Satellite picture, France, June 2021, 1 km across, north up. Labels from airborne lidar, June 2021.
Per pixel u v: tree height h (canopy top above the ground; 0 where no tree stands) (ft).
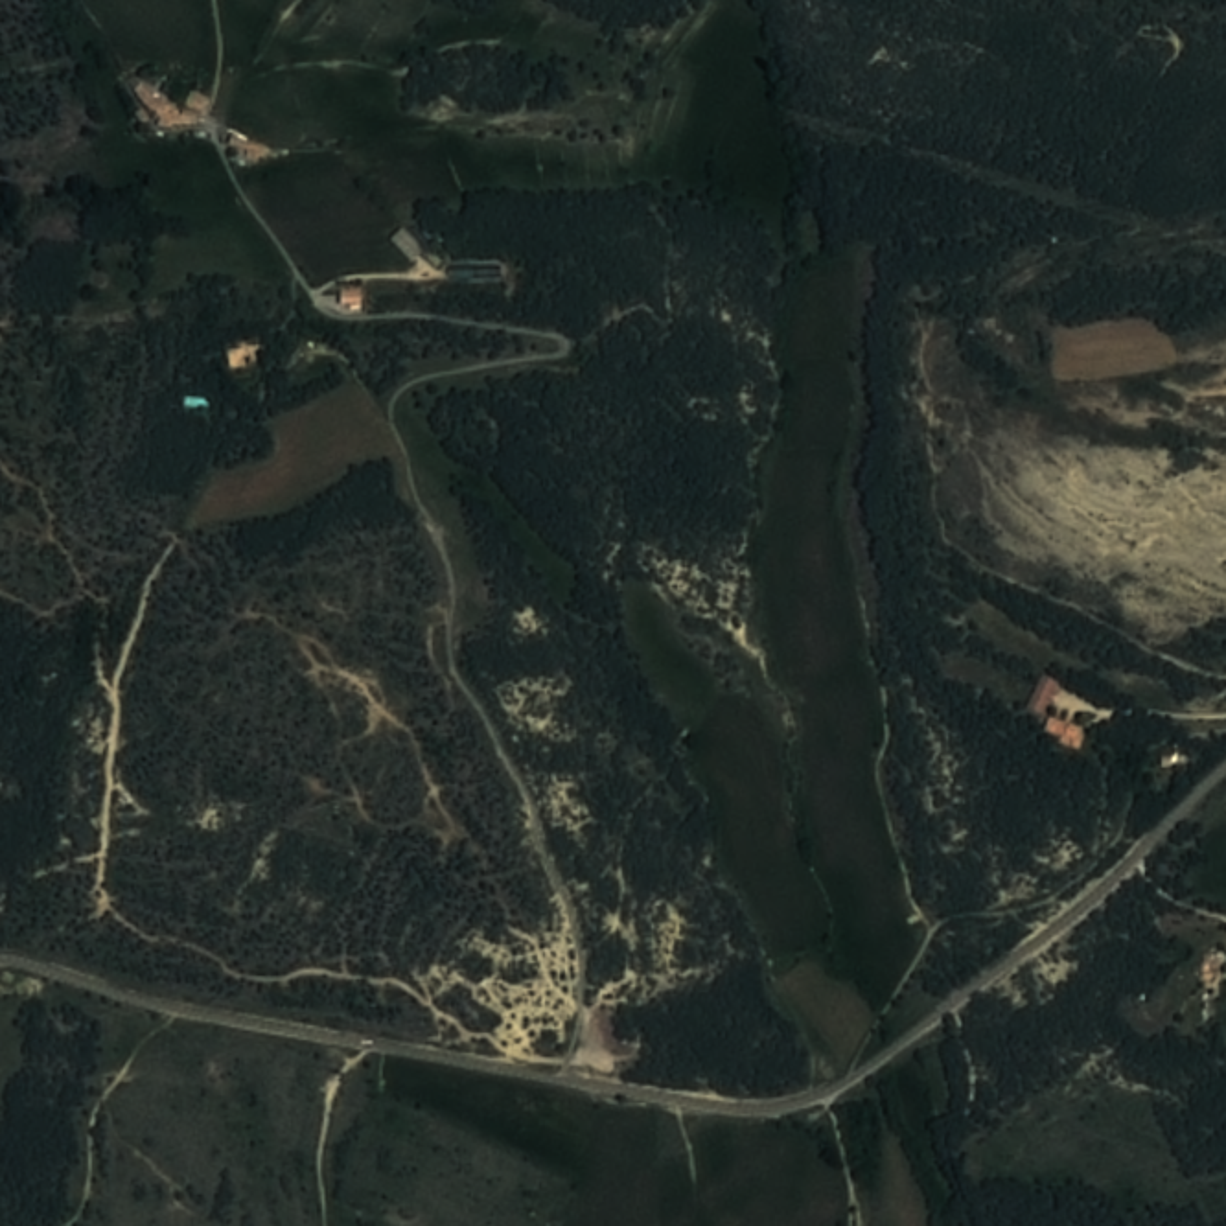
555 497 31
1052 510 0
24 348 19
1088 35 22
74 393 28
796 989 0
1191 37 19
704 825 30
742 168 0
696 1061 19
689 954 20
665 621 0
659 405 18
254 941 30
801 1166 0
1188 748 31
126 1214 0
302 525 33
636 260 18
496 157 0
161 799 24
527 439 34
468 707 0
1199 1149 25
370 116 0
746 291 26
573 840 22
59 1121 22
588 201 33
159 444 29
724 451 31
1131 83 20
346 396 0
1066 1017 22
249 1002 0
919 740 17
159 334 26
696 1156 0
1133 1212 39
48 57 29
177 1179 0
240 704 0
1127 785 37
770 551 0
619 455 30
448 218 40
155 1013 19
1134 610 0
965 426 0
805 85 27
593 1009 0
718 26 0
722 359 28
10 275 34
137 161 0
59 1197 25
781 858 0
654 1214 0
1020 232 31
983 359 36
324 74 0
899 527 21
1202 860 25
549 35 0
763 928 0
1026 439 0
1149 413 0
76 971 0
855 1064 0
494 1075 0
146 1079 0
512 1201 0
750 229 26
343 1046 0
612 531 18
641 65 24
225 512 0
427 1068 0
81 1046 26
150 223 54
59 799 22
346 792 25
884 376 31
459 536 0
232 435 31
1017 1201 38
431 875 27
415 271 0
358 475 32
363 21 0
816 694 0
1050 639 25
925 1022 0
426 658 27
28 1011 21
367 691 0
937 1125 33
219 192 0
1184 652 19
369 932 28
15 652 31
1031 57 21
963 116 18
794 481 0
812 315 0
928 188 34
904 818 31
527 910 19
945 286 26
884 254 31
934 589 20
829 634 0
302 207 0
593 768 22
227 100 0
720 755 0
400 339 20
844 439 0
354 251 0
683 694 0
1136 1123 0
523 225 29
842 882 0
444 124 0
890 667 22
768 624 0
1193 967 0
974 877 20
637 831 23
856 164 41
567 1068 0
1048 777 37
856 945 0
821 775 0
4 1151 33
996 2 22
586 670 20
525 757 18
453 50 29
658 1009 20
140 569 26
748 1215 0
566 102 23
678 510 25
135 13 0
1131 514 0
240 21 0
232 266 0
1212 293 32
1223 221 27
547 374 26
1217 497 0
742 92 0
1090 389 0
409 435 0
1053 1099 0
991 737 35
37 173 0
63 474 25
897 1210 0
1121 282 24
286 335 29
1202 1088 26
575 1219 0
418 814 0
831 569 0
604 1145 0
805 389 0
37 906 29
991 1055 17
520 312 25
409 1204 0
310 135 0
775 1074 36
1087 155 34
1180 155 19
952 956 17
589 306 35
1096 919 18
